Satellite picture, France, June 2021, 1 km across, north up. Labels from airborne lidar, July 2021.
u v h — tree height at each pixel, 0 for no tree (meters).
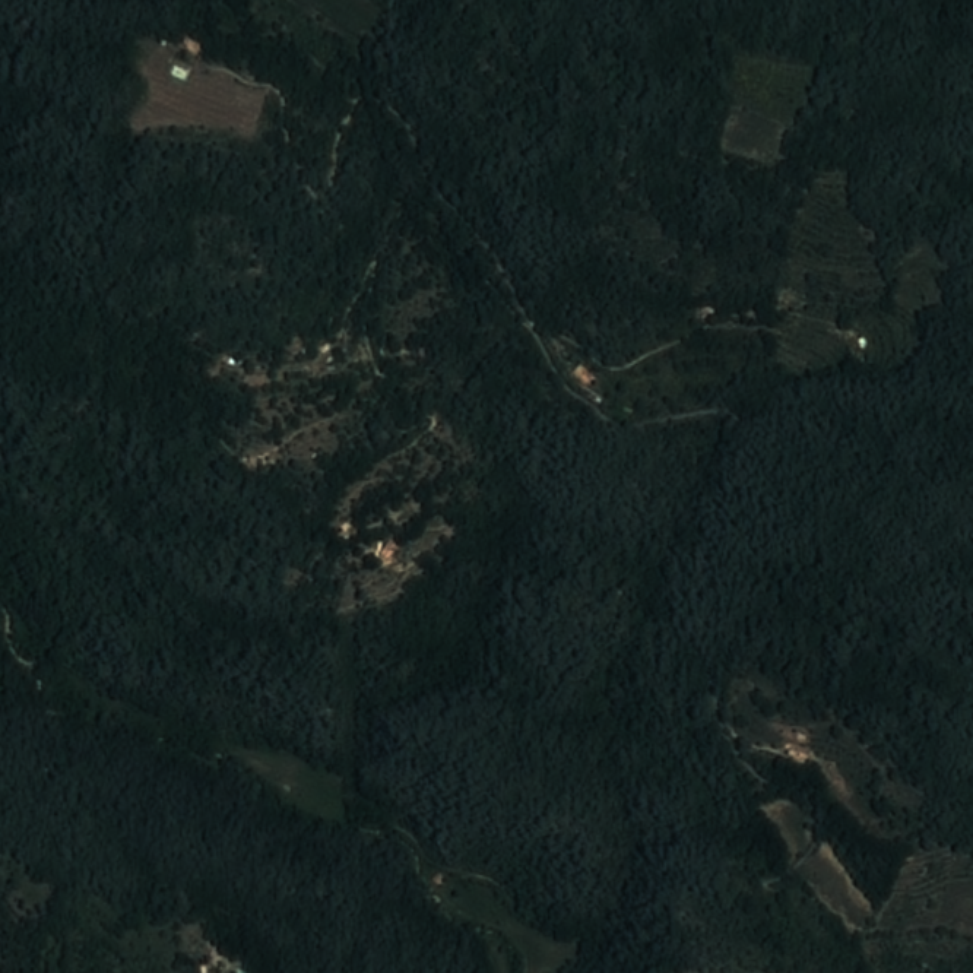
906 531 17
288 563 17
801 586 19
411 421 18
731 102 9
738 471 23
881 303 8
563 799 12
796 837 0
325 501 14
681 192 12
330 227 15
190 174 8
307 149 8
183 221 8
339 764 16
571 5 18
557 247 18
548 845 20
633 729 15
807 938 9
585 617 20
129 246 15
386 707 13
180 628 12
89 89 18
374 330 17
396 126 13
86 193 16
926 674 12
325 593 8
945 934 8
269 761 0
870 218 16
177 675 16
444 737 14
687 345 6
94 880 17
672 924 20
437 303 8
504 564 20
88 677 13
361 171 16
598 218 13
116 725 15
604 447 16
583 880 16
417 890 17
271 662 21
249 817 20
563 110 17
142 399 9
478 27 11
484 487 15
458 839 15
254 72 11
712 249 13
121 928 9
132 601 17
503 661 16
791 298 0
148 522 11
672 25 14
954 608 20
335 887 22
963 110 11
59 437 15
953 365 16
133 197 7
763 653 13
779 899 14
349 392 11
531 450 15
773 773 13
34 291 10
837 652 21
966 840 21
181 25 12
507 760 7
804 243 6
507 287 6
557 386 12
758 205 15
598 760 11
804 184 10
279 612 19
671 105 15
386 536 14
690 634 20
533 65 10
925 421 14
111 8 18
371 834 6
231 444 9
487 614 20
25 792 21
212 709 14
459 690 20
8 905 11
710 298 12
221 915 7
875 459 18
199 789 20
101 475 16
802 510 14
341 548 13
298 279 10
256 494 18
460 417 12
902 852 17
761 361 12
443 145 17
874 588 19
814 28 15
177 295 10
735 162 12
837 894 0
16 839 18
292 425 9
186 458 9
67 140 20
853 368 17
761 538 17
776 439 17
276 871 16
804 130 7
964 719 19
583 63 17
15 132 21
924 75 13
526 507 15
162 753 14
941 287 12
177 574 21
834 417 11
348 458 8
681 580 19
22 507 12
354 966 15
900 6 22
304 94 10
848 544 14
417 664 9
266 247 12
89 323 10
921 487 15
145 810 17
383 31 7
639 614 14
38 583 10
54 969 6
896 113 12
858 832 14
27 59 23
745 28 9
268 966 14
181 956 11
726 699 14
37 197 11
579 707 9
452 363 23
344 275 20
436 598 15
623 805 8
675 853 26
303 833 14
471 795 19
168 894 17
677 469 18
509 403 19
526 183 12
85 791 18
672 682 9
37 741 13
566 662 19
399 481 8
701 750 16
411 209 14
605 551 20
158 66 0
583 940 17
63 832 15
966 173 15
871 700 17
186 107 0
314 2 0
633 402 5
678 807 17
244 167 16
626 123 10
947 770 17
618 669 18
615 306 9
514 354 13
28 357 13
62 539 13
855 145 14
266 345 7
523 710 13
